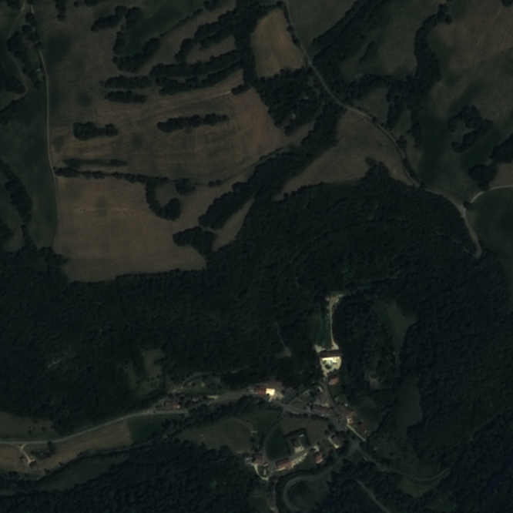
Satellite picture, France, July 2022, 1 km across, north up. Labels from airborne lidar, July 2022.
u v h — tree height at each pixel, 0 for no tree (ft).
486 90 0
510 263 0
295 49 0
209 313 26
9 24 0
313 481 0
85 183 0
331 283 53
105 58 0
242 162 0
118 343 57
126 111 0
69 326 61
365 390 37
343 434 38
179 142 0
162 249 0
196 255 0
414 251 65
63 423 68
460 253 60
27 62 27
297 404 0
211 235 49
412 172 54
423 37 53
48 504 92
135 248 0
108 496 99
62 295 57
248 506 98
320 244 77
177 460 69
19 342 62
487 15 0
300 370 73
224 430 0
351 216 63
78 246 0
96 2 64
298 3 0
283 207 66
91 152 0
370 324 61
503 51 0
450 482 74
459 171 0
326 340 0
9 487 94
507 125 0
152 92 0
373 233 66
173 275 50
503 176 0
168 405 0
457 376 41
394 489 73
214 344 85
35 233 0
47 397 69
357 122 0
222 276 62
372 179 39
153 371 0
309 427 0
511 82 0
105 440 0
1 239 41
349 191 21
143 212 0
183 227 0
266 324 113
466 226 63
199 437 0
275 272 77
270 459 0
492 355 38
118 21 44
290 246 38
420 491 0
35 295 63
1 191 0
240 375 57
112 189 0
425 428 55
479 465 89
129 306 49
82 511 78
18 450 0
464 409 78
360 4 30
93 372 111
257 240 72
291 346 71
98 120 0
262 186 53
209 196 0
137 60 60
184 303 60
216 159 0
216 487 48
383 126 33
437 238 61
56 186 0
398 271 105
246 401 61
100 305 23
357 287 115
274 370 73
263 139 0
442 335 79
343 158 0
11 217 0
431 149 0
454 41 0
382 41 0
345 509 91
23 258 54
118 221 0
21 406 71
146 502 110
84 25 0
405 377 81
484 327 48
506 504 49
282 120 34
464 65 0
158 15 0
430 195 41
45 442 0
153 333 57
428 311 75
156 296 60
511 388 66
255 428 0
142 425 0
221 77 49
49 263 48
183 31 0
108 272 0
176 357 85
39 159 0
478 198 0
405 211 44
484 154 0
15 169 0
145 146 0
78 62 0
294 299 75
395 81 24
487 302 58
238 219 0
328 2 0
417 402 0
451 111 0
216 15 0
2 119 40
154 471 65
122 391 44
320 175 0
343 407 0
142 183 40
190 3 0
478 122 57
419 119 30
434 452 75
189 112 0
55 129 0
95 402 86
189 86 50
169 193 0
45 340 34
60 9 43
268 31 0
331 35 44
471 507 68
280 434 0
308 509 0
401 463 28
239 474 71
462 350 84
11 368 78
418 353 67
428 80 50
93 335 63
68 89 0
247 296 51
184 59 47
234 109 0
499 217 0
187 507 74
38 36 38
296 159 53
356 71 0
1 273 44
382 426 48
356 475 47
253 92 0
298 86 51
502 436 108
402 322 0
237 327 48
